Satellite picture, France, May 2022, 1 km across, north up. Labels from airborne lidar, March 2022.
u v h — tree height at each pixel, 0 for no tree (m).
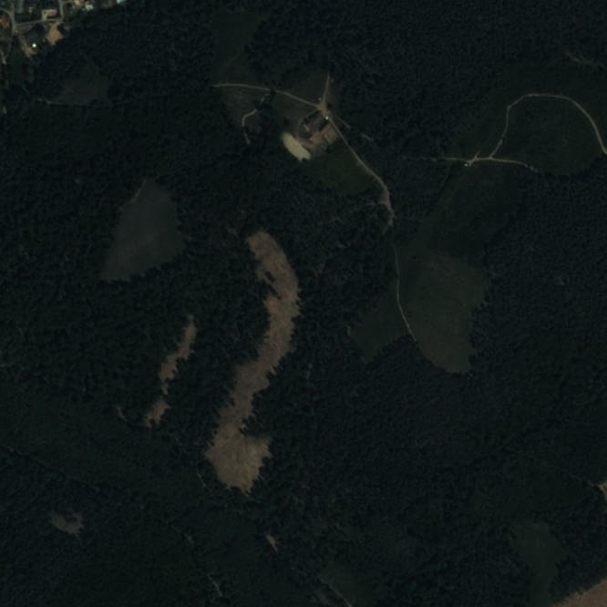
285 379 12
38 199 27
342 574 0
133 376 23
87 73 0
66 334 24
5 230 24
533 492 13
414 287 0
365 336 0
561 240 23
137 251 0
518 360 24
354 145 10
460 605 23
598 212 24
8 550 24
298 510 14
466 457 20
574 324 25
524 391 19
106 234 12
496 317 23
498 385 23
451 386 21
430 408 22
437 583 12
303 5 15
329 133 0
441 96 24
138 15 25
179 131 15
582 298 24
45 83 27
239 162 19
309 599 20
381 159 11
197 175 22
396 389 25
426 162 8
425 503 26
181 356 0
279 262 0
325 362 22
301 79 11
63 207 10
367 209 25
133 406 23
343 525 22
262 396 18
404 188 10
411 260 0
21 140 9
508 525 21
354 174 0
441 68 23
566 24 23
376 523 18
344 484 23
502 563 28
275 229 18
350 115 19
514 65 31
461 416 20
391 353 22
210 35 19
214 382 37
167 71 25
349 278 25
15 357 10
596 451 13
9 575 22
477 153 0
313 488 22
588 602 0
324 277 17
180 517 27
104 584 19
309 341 23
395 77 24
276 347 0
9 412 23
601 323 26
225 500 14
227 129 12
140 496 14
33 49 0
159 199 0
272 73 22
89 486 16
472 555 24
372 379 22
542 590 0
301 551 22
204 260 23
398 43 24
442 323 0
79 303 28
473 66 26
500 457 18
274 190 14
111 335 25
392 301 0
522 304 19
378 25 27
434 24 23
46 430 26
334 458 24
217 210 21
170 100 12
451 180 7
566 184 23
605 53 31
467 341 0
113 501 30
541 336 20
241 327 15
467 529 22
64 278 20
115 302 27
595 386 24
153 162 8
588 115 0
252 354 23
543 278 25
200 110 13
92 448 25
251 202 17
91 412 22
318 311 25
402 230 8
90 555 16
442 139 21
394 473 18
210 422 27
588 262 22
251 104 0
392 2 28
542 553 0
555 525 14
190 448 21
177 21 24
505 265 22
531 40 21
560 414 23
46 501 27
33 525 29
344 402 21
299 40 26
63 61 27
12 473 23
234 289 13
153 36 24
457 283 0
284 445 25
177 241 0
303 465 27
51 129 10
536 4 23
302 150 0
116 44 27
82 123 10
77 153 10
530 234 24
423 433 19
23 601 22
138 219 0
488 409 21
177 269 24
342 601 19
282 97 0
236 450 0
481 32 24
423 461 19
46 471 27
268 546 23
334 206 19
